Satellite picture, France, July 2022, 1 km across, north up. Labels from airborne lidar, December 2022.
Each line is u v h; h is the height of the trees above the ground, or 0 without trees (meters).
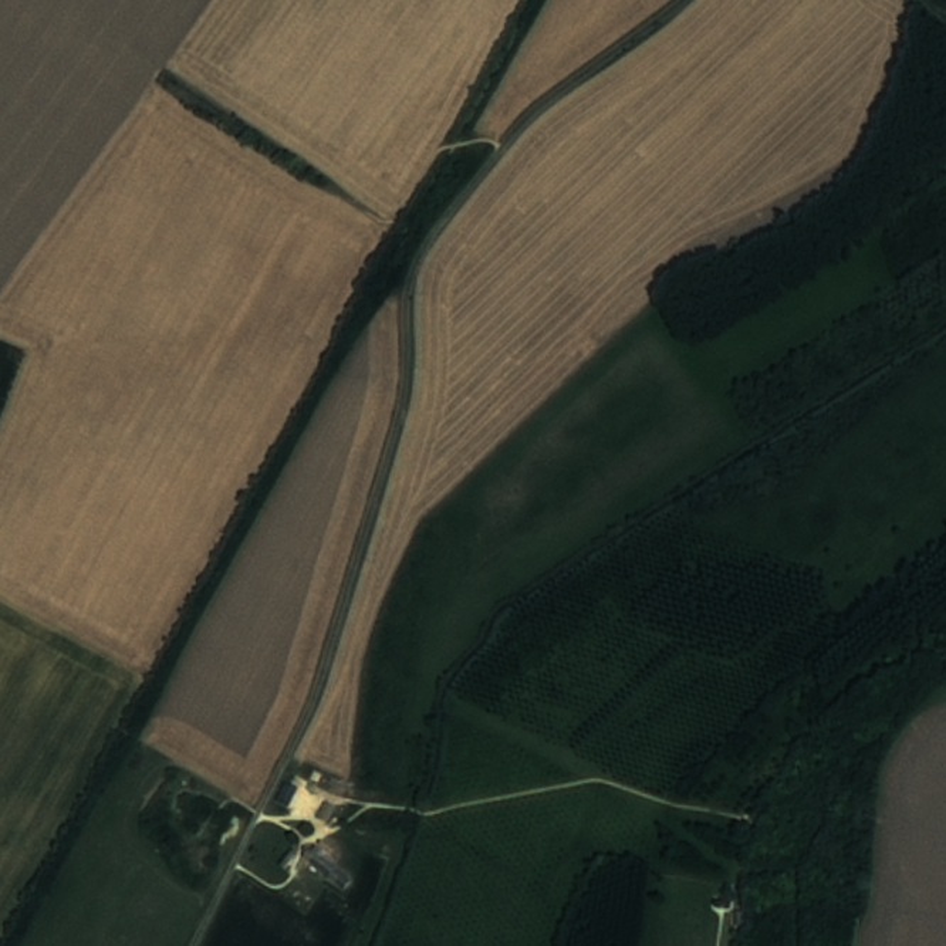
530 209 0
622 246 0
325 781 0
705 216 0
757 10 0
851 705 17
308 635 0
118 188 0
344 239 0
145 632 0
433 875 0
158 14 0
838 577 0
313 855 0
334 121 0
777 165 0
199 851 0
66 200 0
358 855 0
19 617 0
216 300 0
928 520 0
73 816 7
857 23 0
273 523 0
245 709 0
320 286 0
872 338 6
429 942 0
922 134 34
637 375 0
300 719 0
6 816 0
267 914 0
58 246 0
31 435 0
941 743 0
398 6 0
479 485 0
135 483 0
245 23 0
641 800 0
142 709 12
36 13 0
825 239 32
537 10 8
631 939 26
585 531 0
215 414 0
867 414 7
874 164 34
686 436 0
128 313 0
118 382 0
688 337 28
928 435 0
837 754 13
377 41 0
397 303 0
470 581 0
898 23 0
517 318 0
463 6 0
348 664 0
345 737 0
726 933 0
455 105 0
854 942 10
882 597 29
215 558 10
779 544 0
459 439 0
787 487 16
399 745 0
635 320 0
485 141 0
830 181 0
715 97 0
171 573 0
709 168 0
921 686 15
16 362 0
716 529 0
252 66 0
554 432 0
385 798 0
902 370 6
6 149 0
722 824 0
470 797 0
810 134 0
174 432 0
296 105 0
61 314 0
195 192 0
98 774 9
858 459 0
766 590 27
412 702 0
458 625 0
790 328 0
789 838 16
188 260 0
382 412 0
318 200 0
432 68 0
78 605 0
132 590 0
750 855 21
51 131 0
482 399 0
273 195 0
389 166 0
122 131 0
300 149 0
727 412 0
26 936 13
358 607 0
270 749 0
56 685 0
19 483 0
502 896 0
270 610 0
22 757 0
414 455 0
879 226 28
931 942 0
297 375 0
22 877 0
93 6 0
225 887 0
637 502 0
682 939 0
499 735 0
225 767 0
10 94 0
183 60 0
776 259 34
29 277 0
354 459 0
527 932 0
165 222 0
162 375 0
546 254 0
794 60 0
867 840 19
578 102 0
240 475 0
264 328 0
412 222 9
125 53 0
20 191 0
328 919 0
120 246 0
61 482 0
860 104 0
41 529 0
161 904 0
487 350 0
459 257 0
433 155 0
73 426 0
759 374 7
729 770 0
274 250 0
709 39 0
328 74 0
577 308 0
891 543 0
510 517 0
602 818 0
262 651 0
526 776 0
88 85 0
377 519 0
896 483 0
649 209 0
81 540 0
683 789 9
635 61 0
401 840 0
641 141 0
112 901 0
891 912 0
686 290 33
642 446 0
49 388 0
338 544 0
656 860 0
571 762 0
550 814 0
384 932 0
